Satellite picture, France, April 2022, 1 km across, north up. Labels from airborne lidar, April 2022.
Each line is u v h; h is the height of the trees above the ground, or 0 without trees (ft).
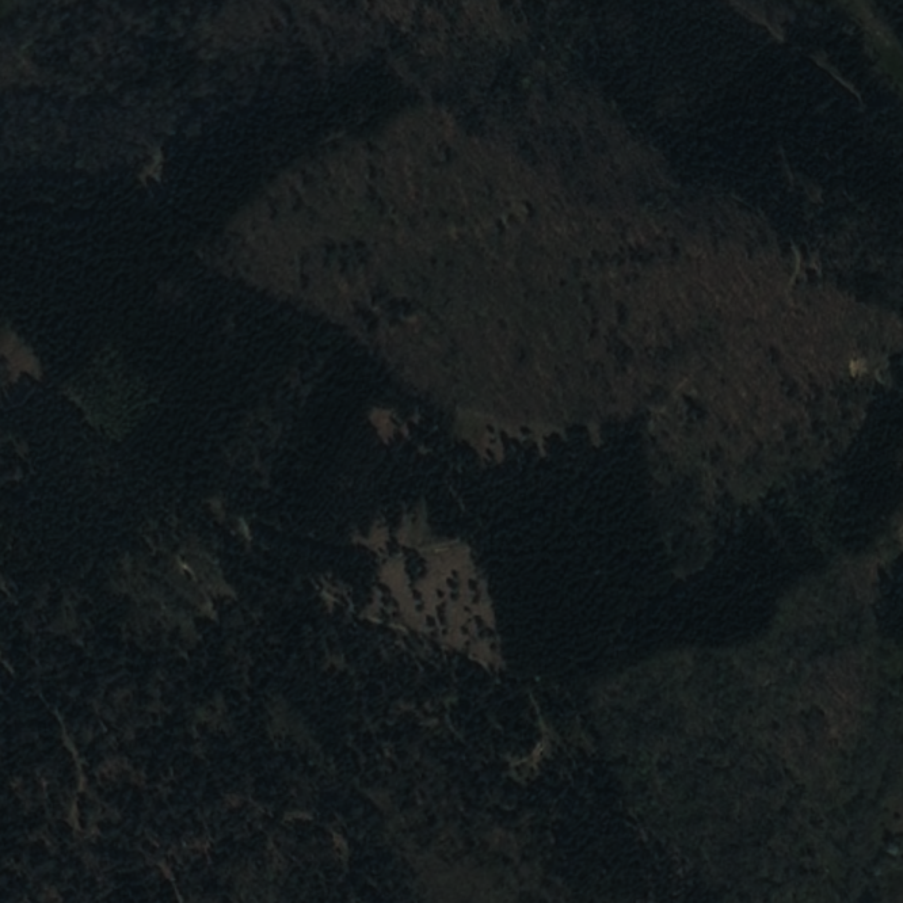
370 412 57
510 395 76
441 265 67
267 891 79
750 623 76
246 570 52
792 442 77
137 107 88
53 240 80
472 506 80
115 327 97
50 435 80
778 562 66
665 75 91
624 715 98
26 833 119
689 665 76
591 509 108
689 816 72
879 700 76
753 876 77
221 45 73
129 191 97
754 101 69
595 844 104
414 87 54
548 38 66
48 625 97
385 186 73
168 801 37
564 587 114
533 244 82
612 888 20
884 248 76
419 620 0
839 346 94
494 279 77
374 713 74
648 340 74
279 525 42
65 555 96
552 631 104
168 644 40
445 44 84
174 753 104
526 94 79
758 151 67
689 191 88
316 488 50
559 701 24
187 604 93
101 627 29
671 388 73
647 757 75
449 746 72
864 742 73
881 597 40
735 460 94
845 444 56
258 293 77
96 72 65
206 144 68
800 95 52
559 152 72
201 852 118
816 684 82
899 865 44
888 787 56
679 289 73
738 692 94
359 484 64
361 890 95
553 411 79
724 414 94
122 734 33
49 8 100
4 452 95
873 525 119
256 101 67
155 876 105
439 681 100
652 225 55
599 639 101
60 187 73
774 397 73
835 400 82
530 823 84
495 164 66
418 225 70
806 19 79
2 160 72
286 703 73
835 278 63
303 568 70
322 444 51
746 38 75
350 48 67
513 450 91
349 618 87
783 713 94
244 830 95
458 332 73
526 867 88
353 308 63
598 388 78
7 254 84
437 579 0
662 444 82
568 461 92
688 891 94
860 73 71
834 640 52
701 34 84
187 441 94
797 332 85
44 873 76
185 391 94
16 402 86
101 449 75
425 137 62
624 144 79
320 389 80
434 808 96
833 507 84
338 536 66
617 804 58
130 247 88
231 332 71
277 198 64
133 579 33
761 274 73
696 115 76
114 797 121
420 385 66
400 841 38
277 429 81
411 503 54
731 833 58
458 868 68
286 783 70
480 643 0
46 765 102
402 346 59
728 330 73
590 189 89
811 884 31
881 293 73
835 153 81
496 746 33
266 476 68
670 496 90
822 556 84
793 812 108
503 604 97
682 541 103
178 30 73
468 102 60
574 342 81
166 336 91
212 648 66
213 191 84
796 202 73
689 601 79
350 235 66
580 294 73
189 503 88
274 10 45
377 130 55
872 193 68
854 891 72
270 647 41
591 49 79
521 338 81
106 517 82
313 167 60
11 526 60
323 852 88
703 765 81
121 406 77
